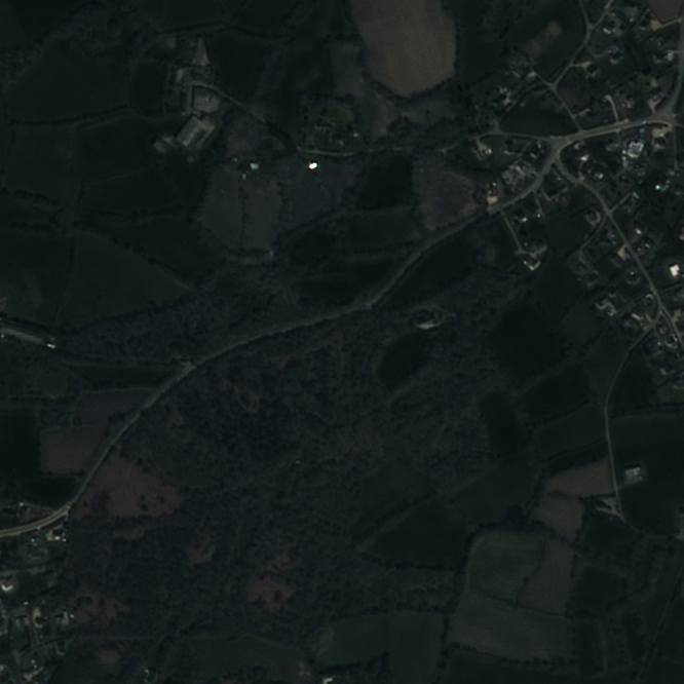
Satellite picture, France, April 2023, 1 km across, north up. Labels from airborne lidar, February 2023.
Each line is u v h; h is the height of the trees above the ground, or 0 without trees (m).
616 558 0
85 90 0
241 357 11
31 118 0
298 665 0
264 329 9
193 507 11
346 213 13
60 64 0
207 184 8
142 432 12
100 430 0
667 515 0
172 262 0
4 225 0
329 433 11
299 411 16
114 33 10
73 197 0
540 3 10
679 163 11
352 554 14
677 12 0
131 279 0
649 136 0
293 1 0
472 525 10
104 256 0
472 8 0
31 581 0
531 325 0
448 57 0
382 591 15
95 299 0
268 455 23
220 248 11
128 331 14
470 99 7
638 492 0
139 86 0
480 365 12
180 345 19
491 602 0
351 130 8
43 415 10
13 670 11
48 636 8
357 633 0
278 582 8
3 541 0
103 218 6
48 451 0
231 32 10
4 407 9
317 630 8
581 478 0
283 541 9
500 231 0
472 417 13
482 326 9
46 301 0
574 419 0
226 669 0
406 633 0
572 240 0
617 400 0
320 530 9
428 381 8
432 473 20
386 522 12
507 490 0
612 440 0
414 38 0
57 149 0
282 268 9
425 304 18
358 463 10
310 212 0
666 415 11
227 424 13
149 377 0
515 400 14
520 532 10
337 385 7
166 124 0
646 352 12
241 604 12
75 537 0
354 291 0
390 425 11
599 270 0
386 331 12
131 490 0
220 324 14
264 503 14
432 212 0
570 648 0
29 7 0
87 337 13
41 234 9
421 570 7
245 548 11
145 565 14
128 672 10
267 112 8
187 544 18
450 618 8
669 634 0
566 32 0
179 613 12
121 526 12
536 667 10
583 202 0
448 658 8
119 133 0
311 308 14
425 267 0
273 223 0
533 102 0
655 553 9
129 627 13
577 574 9
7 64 8
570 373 0
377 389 13
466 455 13
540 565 0
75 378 7
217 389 13
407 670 0
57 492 0
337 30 0
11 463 0
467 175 10
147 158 0
